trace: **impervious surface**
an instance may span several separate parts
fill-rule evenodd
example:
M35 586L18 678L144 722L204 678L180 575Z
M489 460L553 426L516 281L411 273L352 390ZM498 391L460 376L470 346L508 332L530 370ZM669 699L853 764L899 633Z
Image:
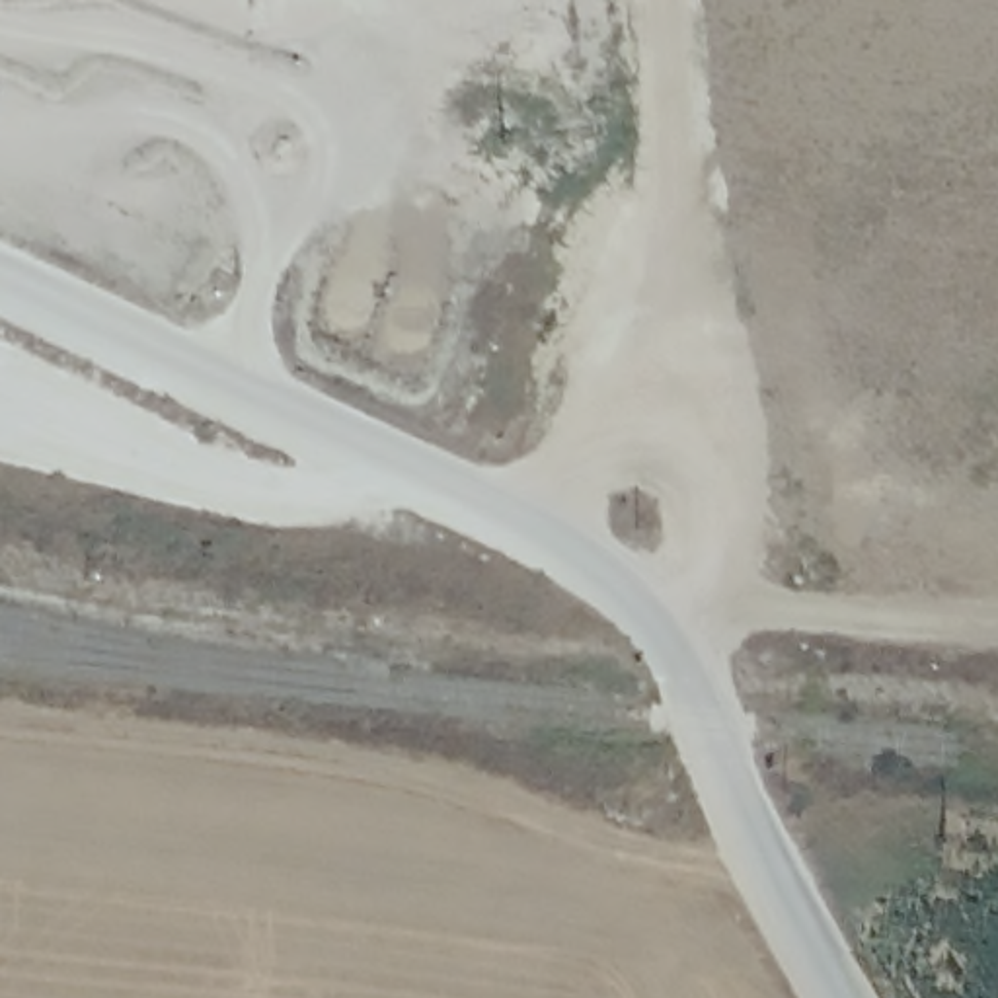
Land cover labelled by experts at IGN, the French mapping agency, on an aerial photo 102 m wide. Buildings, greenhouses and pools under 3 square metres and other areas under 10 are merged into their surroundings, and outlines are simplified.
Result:
M768 889L756 893L749 904L756 928L764 932L776 963L784 967L799 998L877 998L834 920L834 908L819 877L795 834L787 830L787 819L780 815L760 768L725 795L768 881Z

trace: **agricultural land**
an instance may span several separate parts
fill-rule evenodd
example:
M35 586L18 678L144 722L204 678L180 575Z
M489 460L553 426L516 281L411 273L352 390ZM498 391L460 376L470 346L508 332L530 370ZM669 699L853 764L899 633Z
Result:
M702 0L710 51L706 82L713 156L729 183L729 207L717 218L717 226L725 234L733 300L749 331L760 405L768 421L772 511L764 518L764 569L791 593L885 596L893 608L924 608L940 596L998 596L998 0Z
M850 854L834 858L819 877L834 908L834 920L877 998L998 998L998 865L990 873L967 873L943 862L940 842L877 838L862 862Z

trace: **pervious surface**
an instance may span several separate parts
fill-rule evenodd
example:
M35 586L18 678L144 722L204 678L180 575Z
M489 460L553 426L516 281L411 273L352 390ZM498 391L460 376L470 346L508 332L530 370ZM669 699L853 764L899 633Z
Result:
M199 694L261 694L320 706L444 713L460 717L460 729L518 741L526 741L530 729L554 725L624 725L616 721L616 694L596 690L593 682L472 682L441 678L433 667L417 671L398 659L390 663L390 674L351 674L324 651L222 647L207 639L125 628L0 596L0 659L39 663L55 678L78 682L97 682L101 671L117 671L136 674L136 686L144 690L160 686Z
M600 82L608 82L604 43L612 27L624 27L624 62L635 78L632 101L639 121L639 144L635 164L612 168L608 179L577 207L573 230L554 253L561 265L561 281L554 292L546 292L542 304L554 312L557 327L534 351L534 370L561 370L569 382L565 402L546 429L546 441L511 464L476 464L300 382L285 366L273 335L273 296L288 265L300 269L296 351L308 366L366 386L370 394L398 405L444 402L444 374L468 374L487 366L483 355L468 351L468 300L503 265L507 253L522 253L530 246L530 230L538 222L542 203L534 191L518 183L526 152L507 148L491 160L480 156L476 148L491 133L491 121L476 117L464 125L448 97L464 86L472 62L483 62L495 43L511 43L515 62L522 70L542 70L557 78L573 97L589 97ZM113 273L148 281L148 288L164 292L168 273L191 238L211 238L207 253L218 269L230 269L230 253L242 250L242 285L230 308L203 324L175 324L27 250L0 242L0 316L144 390L168 394L191 405L195 413L226 421L246 437L285 448L292 456L292 468L281 468L226 444L203 444L191 429L172 425L160 413L148 413L109 394L105 386L86 382L82 374L51 366L27 355L23 347L0 339L0 464L62 472L78 483L97 483L156 503L211 511L261 526L359 522L378 534L390 526L394 511L405 507L515 557L526 569L546 573L554 585L561 585L565 593L596 608L604 620L612 620L643 651L643 663L659 686L659 702L651 706L651 729L671 733L694 784L694 795L702 803L702 815L710 823L706 842L667 842L651 834L616 830L593 811L573 811L550 795L526 791L515 780L441 756L409 756L402 749L363 749L347 741L285 737L234 725L156 721L133 717L129 710L113 710L101 702L90 702L82 710L55 710L19 698L0 702L0 737L19 737L16 745L23 749L27 764L129 780L152 776L172 791L187 791L191 784L199 784L222 795L273 791L277 799L304 795L316 803L370 799L386 815L413 815L460 826L483 826L483 819L495 815L542 838L557 838L596 862L643 865L710 889L733 885L749 904L756 893L768 889L768 881L725 795L760 768L764 752L791 745L795 737L815 737L819 752L838 756L846 768L858 772L873 768L877 752L901 752L920 768L943 768L955 784L998 787L998 721L963 717L943 702L858 702L858 721L787 713L780 710L780 702L787 694L799 698L803 674L776 678L776 651L749 651L745 639L756 632L819 632L873 643L955 643L963 651L998 651L998 596L940 596L924 608L893 608L885 596L791 593L764 569L764 518L772 511L768 421L760 405L749 331L733 300L725 234L717 226L717 218L729 207L729 183L713 156L706 82L710 51L702 0L0 0L0 222L16 226L19 234L47 238L51 246L62 246L70 253L82 253ZM421 390L343 363L312 339L308 316L320 273L331 277L324 308L327 327L347 331L359 347L374 355L425 351L429 370ZM643 491L647 499L655 499L663 526L655 550L635 550L612 534L608 503L620 491Z

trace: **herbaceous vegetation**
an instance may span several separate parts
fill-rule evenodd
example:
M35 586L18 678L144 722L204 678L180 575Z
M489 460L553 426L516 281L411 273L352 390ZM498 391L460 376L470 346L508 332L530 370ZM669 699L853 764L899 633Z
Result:
M655 499L647 499L643 491L620 491L608 503L612 534L635 550L655 550L663 526Z
M113 273L82 253L70 253L62 246L51 246L47 238L19 234L16 226L0 222L0 242L27 250L175 324L203 324L230 308L242 285L242 250L230 253L230 269L218 269L207 253L211 238L191 238L168 273L164 292L148 288L148 281Z
M421 390L429 370L425 351L374 355L359 347L347 331L327 327L324 308L331 277L320 273L308 316L312 339L343 363Z
M246 437L226 421L195 413L191 405L168 394L144 390L0 316L0 339L23 347L27 355L51 366L82 374L86 382L105 386L109 394L148 413L160 413L172 425L191 429L203 444L226 444L281 468L292 468L292 456L285 448Z
M78 682L55 678L39 663L0 659L0 702L19 698L55 710L82 710L90 702L101 702L113 710L129 710L133 717L156 721L234 725L285 737L347 741L363 749L402 749L409 756L441 756L515 780L526 791L550 795L573 811L593 811L616 830L651 834L667 842L706 842L710 823L702 815L702 803L694 795L694 784L671 733L651 729L651 706L659 702L659 686L643 663L643 651L612 620L604 620L596 608L565 593L561 585L554 585L546 573L526 569L515 557L405 507L394 511L390 526L378 534L359 522L261 526L211 511L156 503L97 483L78 483L62 472L0 464L0 596L125 628L207 639L222 647L324 651L351 674L390 674L390 663L398 659L417 671L433 667L441 678L472 682L593 682L596 690L616 694L616 721L624 725L554 725L530 729L526 741L518 741L460 729L460 717L444 713L320 706L261 694L199 694L160 686L144 690L136 686L136 674L117 671L101 671L97 682Z
M858 702L943 702L963 717L998 721L998 651L963 651L955 643L873 643L819 632L756 632L745 639L749 651L776 651L776 678L803 674L799 698L787 694L780 702L780 710L787 713L858 721Z
M285 366L300 382L476 464L511 464L546 441L546 429L565 402L569 382L561 370L534 370L534 351L557 327L554 312L542 304L546 292L554 292L561 281L561 265L554 253L573 230L577 207L608 179L612 168L635 164L639 144L639 121L632 101L635 78L624 62L624 27L612 27L604 43L608 82L600 82L589 97L573 97L557 78L542 70L522 70L515 62L511 43L495 43L483 62L472 62L464 86L448 97L464 125L476 117L491 121L491 133L476 148L480 156L491 160L507 148L526 152L518 183L534 191L542 203L538 222L530 230L530 246L522 253L507 253L503 265L468 300L468 351L483 355L487 366L468 374L444 374L444 402L398 405L370 394L366 386L308 366L296 351L300 269L288 265L273 296L273 335Z
M760 768L780 815L787 819L787 830L795 834L819 877L834 858L850 854L862 862L877 838L940 842L943 862L967 873L990 873L998 865L998 787L955 784L943 768L920 768L901 752L877 752L873 768L858 772L846 768L838 756L819 752L815 737L795 737L791 745L764 752Z

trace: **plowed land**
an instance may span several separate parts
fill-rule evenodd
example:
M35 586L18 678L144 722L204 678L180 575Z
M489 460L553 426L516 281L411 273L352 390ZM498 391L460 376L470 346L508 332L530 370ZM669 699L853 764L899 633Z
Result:
M596 862L557 838L542 838L495 815L483 819L483 826L460 826L413 815L386 815L370 799L316 803L304 795L277 799L273 791L222 795L199 784L191 784L187 791L172 791L152 776L129 780L27 764L23 749L16 745L19 737L0 737L0 998L799 998L784 967L776 963L764 932L756 928L749 904L733 885L710 889L643 865Z

